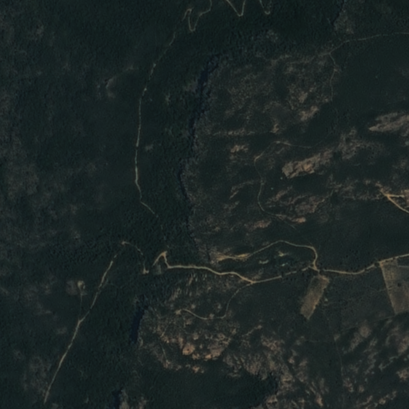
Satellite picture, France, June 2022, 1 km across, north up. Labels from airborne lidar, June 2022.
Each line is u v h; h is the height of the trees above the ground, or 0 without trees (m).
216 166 6
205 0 7
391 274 0
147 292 7
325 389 0
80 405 6
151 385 9
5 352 6
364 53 6
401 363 0
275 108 0
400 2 7
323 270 7
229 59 11
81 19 8
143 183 6
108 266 8
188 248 7
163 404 7
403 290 0
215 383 6
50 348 6
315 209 6
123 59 9
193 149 15
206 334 0
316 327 0
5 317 8
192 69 12
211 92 14
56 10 8
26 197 7
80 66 6
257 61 7
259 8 7
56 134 6
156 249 7
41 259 6
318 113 10
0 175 7
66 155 7
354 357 0
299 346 0
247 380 7
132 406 7
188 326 6
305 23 11
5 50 6
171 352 5
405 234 6
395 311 0
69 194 8
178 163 11
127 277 5
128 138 6
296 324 9
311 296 0
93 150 6
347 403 0
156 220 8
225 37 13
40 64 6
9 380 7
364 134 6
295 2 6
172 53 9
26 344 9
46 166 9
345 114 13
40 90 7
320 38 8
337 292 8
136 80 7
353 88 6
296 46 11
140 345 11
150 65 7
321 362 0
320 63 0
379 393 0
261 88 0
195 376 6
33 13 6
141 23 7
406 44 7
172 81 8
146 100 7
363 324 0
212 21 7
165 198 6
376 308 0
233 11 9
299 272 9
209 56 7
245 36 11
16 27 5
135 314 11
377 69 6
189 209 11
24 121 6
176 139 12
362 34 6
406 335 0
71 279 7
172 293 7
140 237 13
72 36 5
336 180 0
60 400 6
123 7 11
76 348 7
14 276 6
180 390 7
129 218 8
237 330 7
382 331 0
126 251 6
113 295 6
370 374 0
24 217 7
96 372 8
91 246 12
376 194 0
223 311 6
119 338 14
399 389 0
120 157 6
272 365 0
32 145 6
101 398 6
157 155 7
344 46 8
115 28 8
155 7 8
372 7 10
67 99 6
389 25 7
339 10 6
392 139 6
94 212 7
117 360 8
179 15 9
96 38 7
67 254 11
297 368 0
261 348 0
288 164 0
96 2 6
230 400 6
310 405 0
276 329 0
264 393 10
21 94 7
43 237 7
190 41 10
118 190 6
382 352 0
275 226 5
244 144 0
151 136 6
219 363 6
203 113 7
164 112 9
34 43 6
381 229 6
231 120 6
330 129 9
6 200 6
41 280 7
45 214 7
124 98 8
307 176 8
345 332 0
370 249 5
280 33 9
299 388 0
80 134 6
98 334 6
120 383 8
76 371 7
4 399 6
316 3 11
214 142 6
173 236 8
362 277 6
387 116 0
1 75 6
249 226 0
